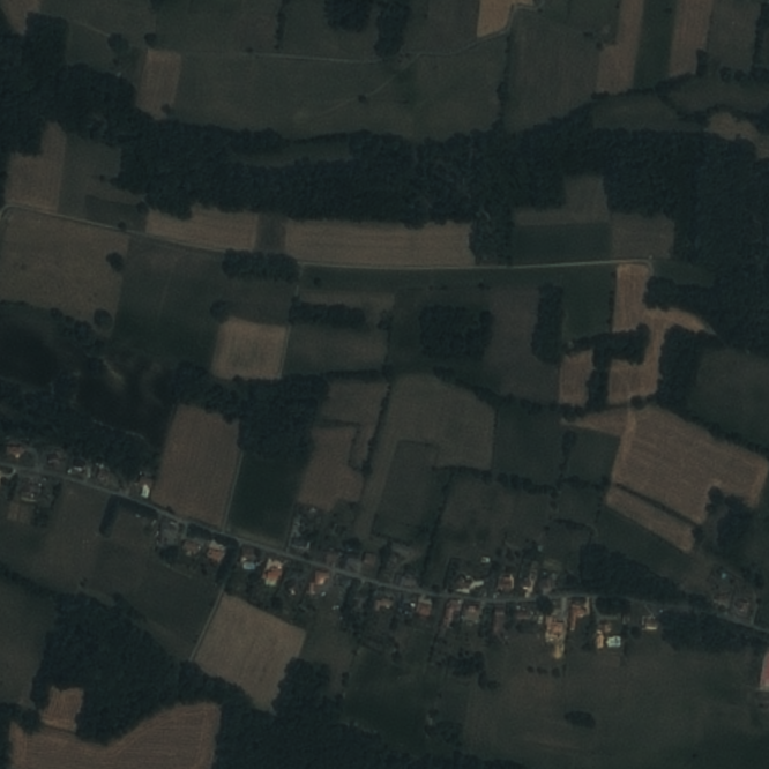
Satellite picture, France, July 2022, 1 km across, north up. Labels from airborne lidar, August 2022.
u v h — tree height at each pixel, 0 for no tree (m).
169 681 24
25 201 0
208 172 26
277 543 0
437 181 18
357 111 0
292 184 21
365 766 25
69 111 24
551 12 0
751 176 23
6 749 21
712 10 0
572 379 0
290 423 28
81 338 17
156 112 0
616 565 24
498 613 0
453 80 0
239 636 0
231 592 9
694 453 0
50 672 19
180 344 0
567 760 0
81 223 0
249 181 30
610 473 0
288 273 19
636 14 0
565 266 0
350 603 10
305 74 0
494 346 0
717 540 0
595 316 0
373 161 20
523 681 0
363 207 7
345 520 0
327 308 13
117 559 0
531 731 0
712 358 0
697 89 0
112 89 26
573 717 12
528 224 0
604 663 0
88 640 12
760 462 0
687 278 0
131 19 0
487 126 0
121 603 20
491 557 0
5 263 0
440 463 0
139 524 0
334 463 0
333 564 0
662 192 6
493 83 0
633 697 0
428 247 0
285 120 0
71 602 26
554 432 0
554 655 0
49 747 0
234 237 0
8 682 0
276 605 12
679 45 0
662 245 0
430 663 7
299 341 0
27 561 0
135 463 23
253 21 0
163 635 0
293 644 0
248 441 22
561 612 0
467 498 0
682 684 0
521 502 0
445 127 0
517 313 0
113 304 0
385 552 13
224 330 0
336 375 11
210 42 0
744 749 0
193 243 0
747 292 24
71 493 0
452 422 0
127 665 25
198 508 0
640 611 0
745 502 16
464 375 0
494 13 0
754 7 0
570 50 0
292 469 0
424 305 0
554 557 0
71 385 25
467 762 14
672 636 20
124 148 10
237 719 24
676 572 0
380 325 7
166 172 22
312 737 26
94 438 20
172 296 0
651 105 0
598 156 10
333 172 23
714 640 20
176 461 0
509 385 0
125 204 0
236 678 0
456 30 0
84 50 0
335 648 0
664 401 22
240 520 0
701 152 6
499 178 26
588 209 0
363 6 9
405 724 0
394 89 0
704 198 26
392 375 18
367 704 0
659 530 0
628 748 0
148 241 0
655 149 18
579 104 0
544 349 19
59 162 0
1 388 12
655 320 0
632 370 0
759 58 7
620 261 0
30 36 18
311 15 0
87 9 0
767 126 23
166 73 0
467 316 13
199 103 0
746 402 0
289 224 0
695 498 0
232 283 0
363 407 0
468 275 0
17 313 0
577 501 0
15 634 0
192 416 0
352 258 0
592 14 0
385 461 0
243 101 0
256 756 24
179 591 0
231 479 0
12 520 0
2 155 10
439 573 0
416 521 0
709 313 23
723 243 26
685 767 0
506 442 0
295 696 18
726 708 0
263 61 0
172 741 0
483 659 10
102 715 23
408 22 15
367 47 0
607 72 0
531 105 0
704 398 0
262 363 0
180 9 0
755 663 0
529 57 0
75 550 0
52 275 0
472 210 14
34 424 7
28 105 26
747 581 8
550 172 20
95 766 0
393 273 0
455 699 0
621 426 0
